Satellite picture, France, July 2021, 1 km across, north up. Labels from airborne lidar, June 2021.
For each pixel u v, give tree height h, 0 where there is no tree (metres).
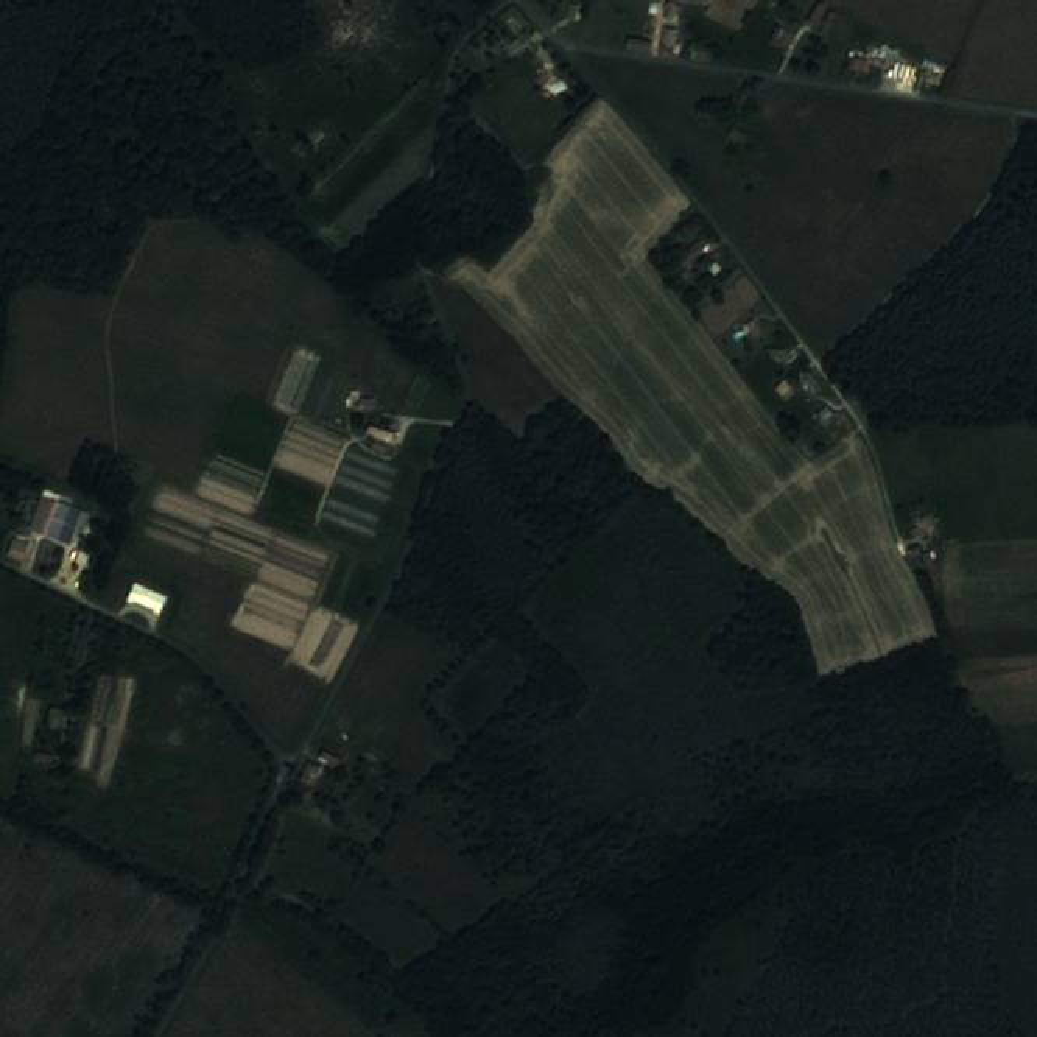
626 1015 18
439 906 0
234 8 14
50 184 22
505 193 14
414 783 0
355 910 0
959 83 0
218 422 0
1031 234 21
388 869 0
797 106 0
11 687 0
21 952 0
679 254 7
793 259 0
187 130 13
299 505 0
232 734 0
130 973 0
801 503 0
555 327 0
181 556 0
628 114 0
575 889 7
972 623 0
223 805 0
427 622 8
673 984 13
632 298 0
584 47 0
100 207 17
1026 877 0
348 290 18
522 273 0
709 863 18
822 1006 12
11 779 0
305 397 0
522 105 0
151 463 0
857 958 9
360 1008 0
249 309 0
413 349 17
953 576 0
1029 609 0
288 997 0
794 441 10
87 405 0
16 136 13
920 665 15
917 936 11
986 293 19
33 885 0
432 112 0
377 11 0
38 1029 0
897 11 0
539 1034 10
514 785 15
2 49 18
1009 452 0
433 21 18
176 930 0
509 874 11
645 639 0
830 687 17
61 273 15
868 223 0
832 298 0
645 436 0
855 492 0
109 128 20
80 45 12
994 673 0
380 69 0
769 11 0
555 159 0
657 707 0
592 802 0
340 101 0
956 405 19
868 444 0
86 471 13
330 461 0
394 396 0
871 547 0
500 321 0
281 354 0
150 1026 17
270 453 0
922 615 0
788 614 16
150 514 0
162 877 6
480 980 19
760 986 10
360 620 0
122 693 0
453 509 20
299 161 0
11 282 9
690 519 11
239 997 0
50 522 0
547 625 0
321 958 10
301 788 6
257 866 14
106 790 0
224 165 21
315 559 0
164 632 0
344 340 0
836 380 12
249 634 0
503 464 14
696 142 0
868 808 18
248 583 0
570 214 0
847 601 0
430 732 0
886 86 0
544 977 12
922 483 0
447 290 0
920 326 18
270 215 20
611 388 0
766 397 0
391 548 0
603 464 16
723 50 6
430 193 15
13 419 0
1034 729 0
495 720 11
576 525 8
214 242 0
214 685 13
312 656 0
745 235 0
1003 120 0
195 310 0
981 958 11
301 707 0
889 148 0
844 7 0
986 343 19
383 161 0
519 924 10
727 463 0
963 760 12
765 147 0
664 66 0
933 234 0
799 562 0
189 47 14
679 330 0
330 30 0
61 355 0
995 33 0
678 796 0
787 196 0
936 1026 12
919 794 18
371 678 0
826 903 11
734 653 19
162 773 0
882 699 6
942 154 0
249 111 0
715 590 0
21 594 0
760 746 9
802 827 14
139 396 0
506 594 19
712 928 14
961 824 13
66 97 25
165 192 19
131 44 16
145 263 0
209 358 0
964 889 8
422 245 18
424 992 17
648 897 13
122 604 0
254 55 12
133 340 0
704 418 0
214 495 0
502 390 0
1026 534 0
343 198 0
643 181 0
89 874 0
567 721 13
